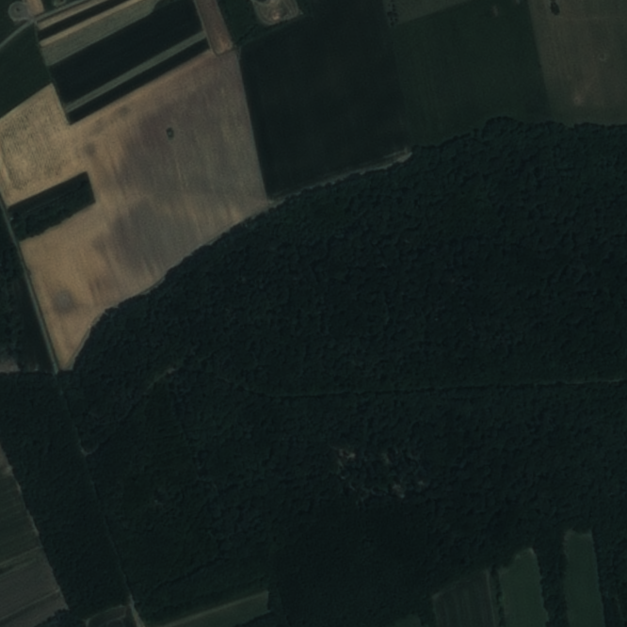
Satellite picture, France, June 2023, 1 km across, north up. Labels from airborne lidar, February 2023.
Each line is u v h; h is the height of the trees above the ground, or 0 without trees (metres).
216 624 0
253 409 26
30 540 0
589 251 33
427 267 29
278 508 26
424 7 0
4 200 0
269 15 0
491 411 26
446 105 0
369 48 0
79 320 0
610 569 22
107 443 20
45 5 0
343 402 23
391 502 24
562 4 0
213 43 0
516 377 21
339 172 0
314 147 0
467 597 0
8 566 0
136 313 25
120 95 0
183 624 0
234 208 0
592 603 0
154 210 0
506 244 27
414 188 23
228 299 26
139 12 0
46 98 0
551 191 27
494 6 0
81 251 0
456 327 28
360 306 28
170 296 25
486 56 0
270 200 0
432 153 18
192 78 0
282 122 0
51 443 19
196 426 28
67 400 19
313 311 25
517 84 0
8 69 0
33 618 0
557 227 29
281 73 0
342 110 0
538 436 28
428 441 27
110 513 23
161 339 26
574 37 0
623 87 0
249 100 0
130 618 0
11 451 18
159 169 0
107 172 0
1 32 0
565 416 24
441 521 24
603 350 26
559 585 17
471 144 20
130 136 0
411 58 0
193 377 28
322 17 0
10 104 0
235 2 0
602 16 0
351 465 28
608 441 20
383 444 30
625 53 0
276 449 28
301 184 0
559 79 0
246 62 0
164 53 0
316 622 18
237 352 28
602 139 21
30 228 15
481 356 27
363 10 0
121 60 0
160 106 0
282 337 25
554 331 26
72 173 0
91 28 0
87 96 0
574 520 23
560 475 27
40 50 0
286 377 22
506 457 28
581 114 0
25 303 0
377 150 0
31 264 0
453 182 18
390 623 18
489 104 0
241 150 0
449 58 0
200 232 0
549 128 16
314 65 0
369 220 29
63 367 0
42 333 0
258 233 21
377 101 0
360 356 25
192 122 0
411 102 0
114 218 0
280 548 18
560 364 20
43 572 0
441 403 28
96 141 0
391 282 28
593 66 0
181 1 0
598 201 25
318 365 24
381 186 22
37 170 0
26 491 18
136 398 16
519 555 0
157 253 0
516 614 0
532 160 26
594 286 29
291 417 22
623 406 21
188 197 0
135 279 0
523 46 0
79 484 20
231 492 29
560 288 27
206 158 0
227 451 29
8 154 0
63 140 0
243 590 16
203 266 27
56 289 0
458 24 0
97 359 26
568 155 24
